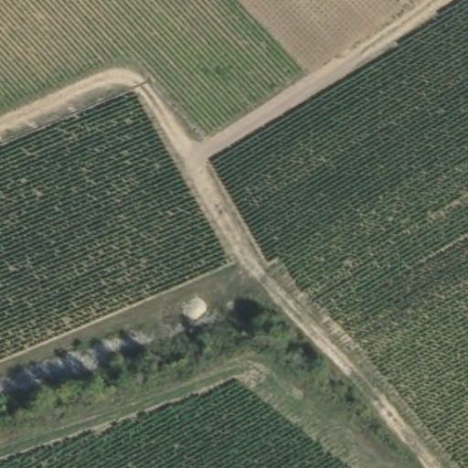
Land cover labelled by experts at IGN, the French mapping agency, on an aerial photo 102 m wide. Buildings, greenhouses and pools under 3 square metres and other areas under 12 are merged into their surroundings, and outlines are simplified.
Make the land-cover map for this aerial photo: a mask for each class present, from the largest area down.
<instances>
[{"label":"vineyard","instance_id":"1","mask_svg":"<svg viewBox=\"0 0 468 468\"><path fill-rule=\"evenodd\" d=\"M411 11L408 4H402L400 7L399 0H0V115L42 99L53 91L104 69H132L146 80V84H150L157 91V95L163 99L166 108L172 112L175 121L179 122L186 135L192 141H203L208 135H214L232 122L238 121L243 115L254 112L263 102L271 101L272 97L296 84L305 75L327 66L333 58L342 57L344 49H355L366 38L393 24L397 18ZM210 165L216 168V174L229 190L234 205L249 225L250 232L258 241L265 258H276L285 263L287 271L300 291L305 292L309 300L320 303L327 309V314L336 324L342 325L347 335L353 338L358 342V346L366 349L369 360L378 367L382 375L388 377L389 384L395 386L400 397H408L413 391L417 393V399L409 404V408L415 409L422 424L430 428L431 433L446 448V453H450L453 461L461 468H468V0H452L442 5L435 16H431L420 26L413 27L406 35L397 38L395 46L384 49L377 57L367 60L362 66L347 73L346 77L335 80L333 84L325 86L324 90L316 91L309 99L296 104L280 117L263 124L254 132L247 133L236 143L210 157ZM225 261V254L216 232L203 216L196 197L192 196L183 174L177 170L172 155L168 154L163 139L155 130L154 121L148 117L143 102L139 101V95L130 91L128 86L90 91L75 101L66 102L58 112L44 113L37 119H31L22 128L7 130L0 139V358L31 344H38L62 331H69L77 325L86 324L102 314L112 313L126 303L143 300L144 296L165 291L172 285L194 278L197 274L212 271ZM0 468H349L331 453L324 452L320 442L309 439L300 426L282 417L276 409L271 408V404L263 402L252 389L241 384L239 380H229L207 393L190 395L179 402L165 404L150 413L139 411L135 419L113 422L108 430L101 433L84 431L73 439L57 442L53 446H35L29 452L15 453L0 461Z\"/></svg>","mask_w":468,"mask_h":468},{"label":"herbaceous vegetation","instance_id":"2","mask_svg":"<svg viewBox=\"0 0 468 468\"><path fill-rule=\"evenodd\" d=\"M263 274L258 278H252L247 269L239 265L234 254H225V261L212 271L197 274L194 278L172 285L165 291L144 296L143 300L126 303L112 313L102 314L86 324L77 325L69 331H62L38 344H31L0 358V391H4L7 397V413L15 415L18 409H31V404L37 400L38 393L48 386L57 389L73 380L91 382L82 395L84 402H91V406L55 409L57 415H66V419L58 426L0 428V461L15 453L29 452L35 446H53L57 442L73 439L84 431L101 433L108 430L113 422L135 419L139 411L150 413L165 404L179 402L190 395L207 393L229 380H239L241 384L252 389L263 402L271 404V408L276 409L282 417L300 426L309 439L320 442L324 452L331 453L349 468H422L417 455L409 450L406 444L400 442L395 446V450H391L382 459L380 453L371 446V442L358 430L356 420H351L349 426H346L338 419H318L314 413L313 400L303 393L302 389L294 386L292 378H283L271 367L252 360H243L239 355L223 356L218 364H212L207 371H201L194 377L179 380L174 384H165L161 388H154L148 382L144 397L132 400L122 395L119 386H104L102 378H93L90 371L97 364H101L104 356L112 349H121L124 358L144 356V347L141 344H150L154 340L157 342L179 335L183 331L181 318L185 314L188 318L196 320L197 324L223 320L227 327L256 335L254 318L260 316L261 305H271L272 302L267 291L263 289L271 280L278 283L289 296L300 291L287 271L285 263L276 258H265L260 260ZM309 318L314 324L327 314V309L320 303L309 300ZM331 344L338 347L340 353H344L353 362L351 373L347 375L367 404H371L373 400H378L384 395L389 404L397 409L402 420L415 431V435L428 448V452L437 459V463L441 464V468H461L453 461L450 453H446V448L431 433L430 428L422 424L415 409L409 408V404L417 399V393L413 391L408 397H400L395 386L389 384L388 377L382 375L378 367L369 360L366 349L358 346V342L353 338L349 342H342L338 335L329 338Z\"/></svg>","mask_w":468,"mask_h":468},{"label":"pervious surface","instance_id":"3","mask_svg":"<svg viewBox=\"0 0 468 468\"><path fill-rule=\"evenodd\" d=\"M452 0H399L400 7L402 4H408L411 11L397 18L393 24L366 38L355 49H344L342 57L333 58L327 66L305 75L296 84L272 97L271 101L263 102L254 112L243 115L238 121L232 122L214 135H208L203 141H192L186 135L179 122L175 121L172 112L166 108L163 99L157 95V91L150 84H146V80L132 69H104L53 91L42 99L0 115V139L7 130L22 128L31 119H37L44 113L58 112L66 102L75 101L90 91L128 86L130 91L139 95V101L143 102L148 117L154 121L155 130L163 139L168 154L172 155L177 170L183 174L192 196L196 197L203 216L216 232L225 254H234L239 265L247 269L252 278H258L263 274L260 260L265 258L258 241L250 232L249 225L234 205L229 190L216 174V168L210 165V157L236 143L247 133L254 132L263 124L280 117L296 104L309 99L316 91L324 90L325 86L333 84L335 80L346 77L347 73L362 66L367 60L377 57L384 49L395 46L397 38L406 35L413 27L420 26L431 16H435L442 5ZM263 289L267 291L272 302L278 305V309H282L292 324L302 329L303 335L313 342L316 349H320L327 358H331L335 366L347 375L351 373L353 362L344 353H340L338 347L331 344L329 338L338 335L342 342H349L353 338L347 335L342 325L336 324L327 314L314 324L309 318V300L305 292L300 291L289 296L278 283L271 280ZM400 442L406 444L409 450L417 455L422 468H441V464L437 463V459L428 452V448L415 435V431L402 420L397 409L389 404L384 395L378 400H373L371 404Z\"/></svg>","mask_w":468,"mask_h":468},{"label":"brushwood","instance_id":"4","mask_svg":"<svg viewBox=\"0 0 468 468\"><path fill-rule=\"evenodd\" d=\"M183 331L179 335L157 342L154 340L150 344H141L144 347V356L150 362L148 382L154 388H161L165 384H174L179 380L194 377L201 371H207L212 364H218L223 356L239 355L243 360H252L271 367L283 378H292L294 386L302 389L303 393L313 400L314 413L318 419H338L346 426H349L351 420H356L358 430L371 442V446L380 453L382 459L391 450H395V446L400 442L371 404H367L347 375L335 366L331 358H327L320 349H316L313 342L303 335L302 329L292 324L282 309H278V305L272 302L271 305H261L260 316L254 318L256 335L227 327L223 320L197 324L196 320L188 318L185 314L181 318Z\"/></svg>","mask_w":468,"mask_h":468},{"label":"deciduous trees","instance_id":"5","mask_svg":"<svg viewBox=\"0 0 468 468\"><path fill-rule=\"evenodd\" d=\"M90 371L93 378H102L104 386H119L122 395L132 400L144 397L148 382L150 362L144 356L124 358L121 349H112L104 356L101 364H97ZM91 382L73 380L57 389L48 386L38 393L37 400L31 404V409H18L15 415L7 413V397L4 391H0V428L58 426L66 419V415H57L55 409L91 406V402H84L82 395Z\"/></svg>","mask_w":468,"mask_h":468}]
</instances>
